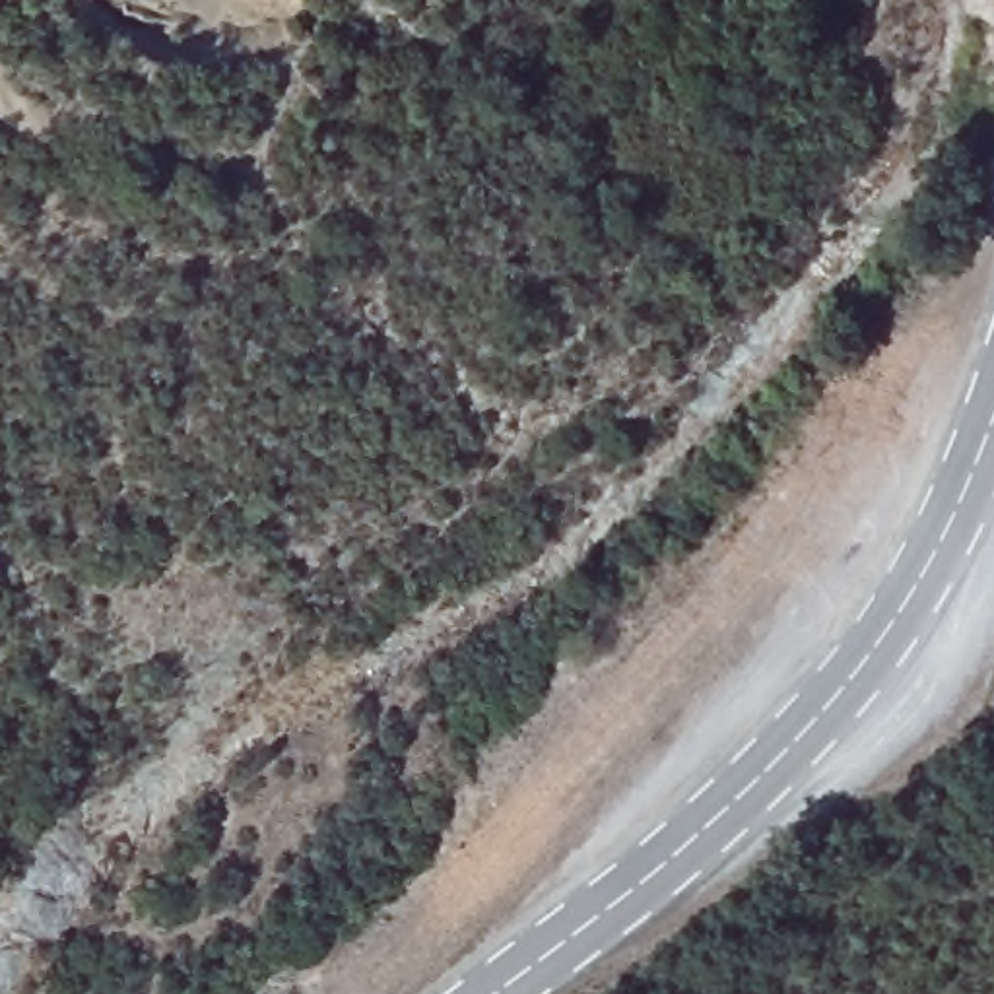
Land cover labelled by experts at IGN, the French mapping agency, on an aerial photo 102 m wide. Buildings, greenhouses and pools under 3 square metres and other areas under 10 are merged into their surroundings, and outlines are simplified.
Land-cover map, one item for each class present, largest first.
<instances>
[{"label":"brushwood","instance_id":"1","mask_svg":"<svg viewBox=\"0 0 994 994\"><path fill-rule=\"evenodd\" d=\"M579 19L586 39L598 43L610 31L613 0H303L299 16H264L252 27H214L210 35L217 43V66L202 74L194 66H163L128 54V39H113L109 50H97L85 39V31L66 16V0H0V66L8 85L19 97L47 109L50 120L43 132H23L12 116H0V889L27 874L39 839L54 831L58 815L74 812L93 792L120 788L144 761L163 757L171 726L186 718V672L179 679H167L151 672L148 660L105 672L97 691L85 695H74L70 687L50 679V668L62 660L58 625L82 613V590L113 594L116 582L148 586L167 571L175 551L186 559H202L217 579L233 575L237 594L245 598H260L268 582H276V575L291 571L283 610L303 617V625L291 633L287 656L295 668H307L315 652L346 660L373 652L396 629L415 625L419 610L435 602L439 590L470 594L485 582L524 571L551 544L563 540L571 524L586 520L590 501L598 497V474L629 481L645 470V454L676 435L679 412L664 404L652 419H633L629 408L645 400V392L606 396L598 408L579 412L551 435L532 439L520 458H509L485 447V435H493L497 427V412H478L466 392H458V369H470L485 392L497 396L551 400L555 392L579 384L582 369L617 357L641 326H648L652 346L637 353V361H629V373L652 377L660 357H672V377L687 373L691 353L707 342V322L742 318V295H749L753 307L765 315L780 291H788L808 272V264L823 252L819 214L831 221H850L846 179L862 175L878 159L866 148V124L850 113L843 97V74L815 78L812 105H769L773 120L788 124V144H773L769 136L707 120L703 105L683 113L679 101H664L660 120L645 132H621L613 140L602 116H579L559 101L563 66L547 62V27ZM897 124L912 128L916 186L924 182L928 159H936L940 144L959 136L967 175L975 179L978 198H994V62L986 58V23L971 16L963 23L951 93H920L916 113L901 109ZM827 384L819 381L812 361H800L792 353L777 365L773 377H765L761 388H753L726 419L714 423V439L691 447L683 462L668 478H660L656 493L633 516L617 520L606 532V540H598L563 579H555L551 586H532L509 610H497L489 621L474 625L454 648L427 652L419 660L423 699L415 707H384L377 687H369L357 699L349 722L369 730V746L346 765L342 800L315 812V835H307L295 850L280 854V889L272 893V905L256 924L245 928L225 920L210 940L179 936L171 940L167 955H155L151 944L136 936L66 928L58 936V959L47 971L50 994H252L272 975L287 967H318L338 944L357 940L377 920L381 905L400 901L412 878L435 866L443 835L454 819L458 788L478 780L481 749L501 738H513L544 707L559 660L590 664L617 645L621 617L645 610V594L656 567L679 563L691 551H699L718 516L765 481V466L788 443L800 439V423L823 400ZM241 901V893L217 885L206 835L198 823L190 835L175 839L163 850V874H140L136 885L140 916H151L163 928L186 924L198 912ZM959 905L928 901L920 909L874 912L858 901H835L815 912H780L777 928L784 936L812 940V982H780L769 994H994V862L986 870H971V885L955 889ZM703 909L691 893L676 897L641 932L613 944L590 971H582L571 986L555 994H691L679 982L641 978L629 967L645 963Z\"/></svg>","mask_w":994,"mask_h":994},{"label":"bare soil","instance_id":"2","mask_svg":"<svg viewBox=\"0 0 994 994\"><path fill-rule=\"evenodd\" d=\"M303 0H66V16L85 31V39L97 50H109L113 39H128V54L163 66H194L202 74L217 66V43L210 35L214 27H252L264 16H299ZM971 16L986 23V58L994 62V0H878L874 39L866 43V54H874L893 78V101L901 109L916 113L920 93H951L963 23ZM0 116H12L23 132H43L50 120L47 109L19 97L8 85L0 66ZM912 128L897 124L885 140V155L878 159L862 175L846 179L850 221H831L819 214L823 252L808 264V272L788 291H780L765 315L753 307L749 295H742V318L707 322V342L691 353L687 373L672 377V357H660L652 377L629 373V361H637V353L652 346L648 326H641L617 357L582 369L579 384L555 392L551 400L497 396L485 392L470 369H458V392H466L478 412H497V427L493 435H485V447L509 458H520L532 439L551 435L579 412L598 408L606 396L645 392V400L629 408L633 419H652L664 404L679 412L676 435L645 454V470L629 481L598 474V497L590 501L586 520L571 524L563 540L551 544L524 571L485 582L470 594L439 590L435 602L419 610L415 625L396 629L373 652L346 660L315 652L307 668H295L287 656L291 633L303 625V617L283 610L291 571L276 575V582H268L260 598H245L237 594L233 575L217 579L202 559H186L175 551L167 571L148 586L116 582L113 594L82 590V613L58 625L62 660L50 668V679L70 687L74 695H85L97 691L105 672L148 660L151 672L167 679H179L186 672V718L171 726L163 757L144 761L120 788L93 792L74 812L58 815L54 831L39 839L27 874L0 889V994H50L47 971L58 959V936L66 928L136 936L151 944L155 955H167L171 940L179 936L210 940L225 920L245 928L256 924L272 905V893L280 889V854L295 850L307 835H315V812L342 800L346 765L369 746V730L349 722L357 699L369 687H377L384 707H415L423 699L419 660L427 652L454 648L474 625L489 621L497 610H509L532 586H551L555 579H563L598 540H606V532L617 520L633 516L656 493L660 478H668L683 462L691 447L714 439V423L726 419L753 388H761L765 377H773L777 365L792 353V342H800L812 330V299L827 295L835 283L858 272L885 217L905 198H912L916 186ZM198 823L206 835L217 885L241 893V901L198 912L186 924L163 928L151 916H140L136 885L140 874H163V850L175 839L190 835ZM990 256L978 249L975 264L963 276H928L920 291L901 295L893 307V338L862 369H850L827 384L823 400L800 423V439L788 443L765 466V481L718 516L699 551H691L679 563L656 567L645 594V610L621 617L617 645L590 664L559 660L544 707L513 738H501L481 749L478 780L458 788L454 819L443 835L435 866L412 878L400 901L381 905L377 920L357 940L338 944L318 967H287L272 975L252 994H423L470 951H478L489 932L509 924L524 909L528 893L567 862L571 850H579L590 839L594 823L613 808V800L625 796L648 773V765L660 761V753L676 742L679 722L695 707V699L718 687L734 668H742L749 652L769 637L773 613L788 594L792 579L812 575L823 559L839 563L846 544H858L850 528L889 478V447L912 462V454L920 450V419L936 396L947 392L951 373L959 369V357L971 342V330L982 318ZM982 711H994V668L978 664L975 676L963 683L959 699L951 703V711L928 722V730L916 742H909V749L893 757L881 773H874V780L858 796L831 792L808 800L804 815L792 827L800 843L804 835H831L835 827H854L870 815V804L862 796H885L905 788L909 769L916 761L963 738V726Z\"/></svg>","mask_w":994,"mask_h":994},{"label":"impervious surface","instance_id":"3","mask_svg":"<svg viewBox=\"0 0 994 994\"><path fill-rule=\"evenodd\" d=\"M971 210L986 221L990 233L978 249L990 256L982 318L971 330V342L959 357V369L951 373L947 392L936 396L920 419V450L912 454V462L889 447V478L850 528L858 544H846L839 563L823 559L812 575L792 579L788 594L773 613L769 637L749 652L742 668H734L718 687L695 699V707L679 722L676 742L660 753V761L648 765V773L625 796L613 800V808L594 823L590 839L579 850H571L567 862L528 893L524 909L509 924L489 932L478 951H470L423 994H555L571 986L582 971H590L613 944L641 932L676 897L691 893L703 909L722 901L734 885H742L746 870L769 850L773 831L792 827L804 815L808 800L831 792L858 796L874 780V773H881L893 757L909 749V742H916L928 730V722L951 711V703L959 699L963 683L975 676L978 664L994 668V198H978Z\"/></svg>","mask_w":994,"mask_h":994},{"label":"deciduous trees","instance_id":"4","mask_svg":"<svg viewBox=\"0 0 994 994\"><path fill-rule=\"evenodd\" d=\"M878 0H613L610 31L598 43L586 39L579 19L547 27V62L563 66L559 101L579 116H602L613 140L621 132H645L660 120L664 101H679L683 113L703 105L707 120L769 136L773 144H788V124L773 120L769 105H812L815 78L843 74V97L850 113L866 124V148L878 159L885 155V140L897 124L901 109L893 101V78L874 54H866V43L874 39ZM978 198L975 179L967 175L959 136L940 144L936 159H928L924 182L916 186L912 198H905L885 217L858 272L835 283L827 295L812 299V330L800 342H792V353L800 361H812L819 381L827 384L850 369H862L893 338V307L901 295L920 291L928 276H963L975 264L978 249L990 233L986 221L971 210ZM870 804V815L854 827H835L831 835H804L800 843L792 827L773 831L769 850L746 870L742 885H734L722 901L703 909L645 963L629 967L641 978L679 982L691 994H769L780 982H812V940L784 936L777 928L780 912H815L835 901H858L874 912L920 909L928 901L959 905L955 889L971 885V870H986L994 862V711H982L963 726V738L916 761L909 769L905 788L885 796H862Z\"/></svg>","mask_w":994,"mask_h":994}]
</instances>
